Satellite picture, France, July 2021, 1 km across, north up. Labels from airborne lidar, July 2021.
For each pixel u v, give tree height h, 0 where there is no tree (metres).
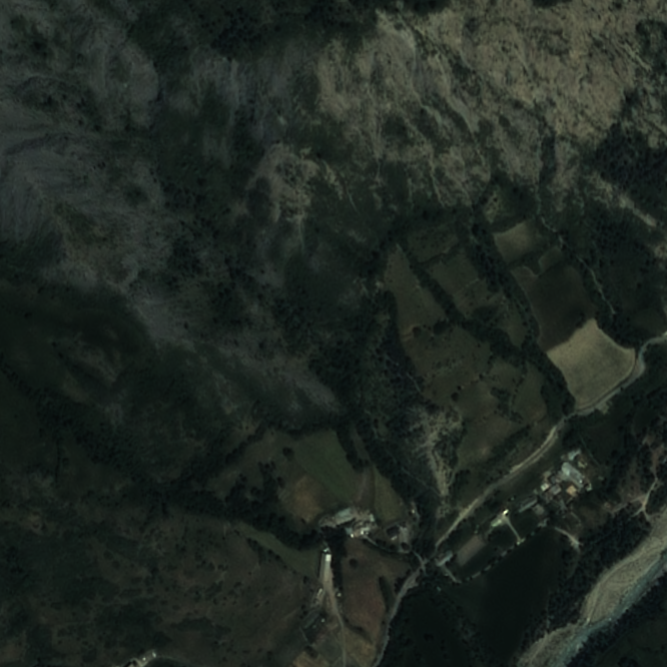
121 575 0
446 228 0
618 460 9
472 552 0
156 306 0
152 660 0
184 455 0
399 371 12
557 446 0
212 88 7
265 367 0
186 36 0
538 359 8
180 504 13
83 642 0
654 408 7
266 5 0
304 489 0
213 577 0
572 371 0
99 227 0
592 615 0
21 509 6
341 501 0
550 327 0
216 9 0
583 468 0
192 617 0
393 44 0
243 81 0
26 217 0
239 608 0
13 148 0
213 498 11
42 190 0
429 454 0
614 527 9
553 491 0
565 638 0
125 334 0
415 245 0
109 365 0
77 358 0
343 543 15
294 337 9
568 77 0
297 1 0
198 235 14
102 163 7
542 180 7
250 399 6
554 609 10
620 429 8
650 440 0
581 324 10
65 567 0
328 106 0
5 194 0
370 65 0
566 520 0
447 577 10
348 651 0
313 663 0
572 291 0
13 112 0
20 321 0
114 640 0
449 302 11
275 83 0
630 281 0
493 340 9
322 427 12
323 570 0
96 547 0
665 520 0
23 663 0
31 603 0
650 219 0
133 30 12
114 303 7
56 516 6
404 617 17
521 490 0
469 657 7
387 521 0
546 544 0
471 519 8
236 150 10
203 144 0
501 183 8
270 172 0
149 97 0
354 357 9
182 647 0
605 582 0
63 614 0
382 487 0
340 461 0
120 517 0
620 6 13
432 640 14
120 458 13
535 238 0
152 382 6
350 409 9
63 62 0
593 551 14
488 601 0
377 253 15
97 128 16
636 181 14
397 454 6
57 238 0
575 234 0
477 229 19
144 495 10
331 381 7
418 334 8
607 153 6
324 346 7
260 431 7
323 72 0
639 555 0
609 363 0
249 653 0
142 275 9
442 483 0
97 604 0
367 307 6
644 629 0
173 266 6
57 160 0
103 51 0
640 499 0
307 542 19
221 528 0
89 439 14
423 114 11
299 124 0
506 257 0
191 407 7
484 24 0
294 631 0
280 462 0
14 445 0
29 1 0
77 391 0
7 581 7
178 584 0
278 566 0
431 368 0
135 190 7
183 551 6
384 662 10
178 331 0
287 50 0
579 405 0
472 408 0
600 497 11
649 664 0
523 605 0
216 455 7
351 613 0
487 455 0
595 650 13
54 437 7
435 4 19
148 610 0
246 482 11
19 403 0
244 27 7
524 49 0
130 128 7
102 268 0
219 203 7
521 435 10
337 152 0
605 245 12
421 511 15
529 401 0
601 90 0
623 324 7
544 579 0
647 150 9
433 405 7
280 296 6
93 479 0
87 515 0
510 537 0
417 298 0
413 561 7
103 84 0
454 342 0
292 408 0
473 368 0
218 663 0
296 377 0
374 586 0
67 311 0
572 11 0
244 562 0
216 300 7
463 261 0
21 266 7
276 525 14
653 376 8
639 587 0
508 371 0
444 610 8
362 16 0
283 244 0
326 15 10
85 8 0
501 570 0
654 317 0
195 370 0
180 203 10
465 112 0
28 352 0
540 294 0
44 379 0
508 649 0
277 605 0
